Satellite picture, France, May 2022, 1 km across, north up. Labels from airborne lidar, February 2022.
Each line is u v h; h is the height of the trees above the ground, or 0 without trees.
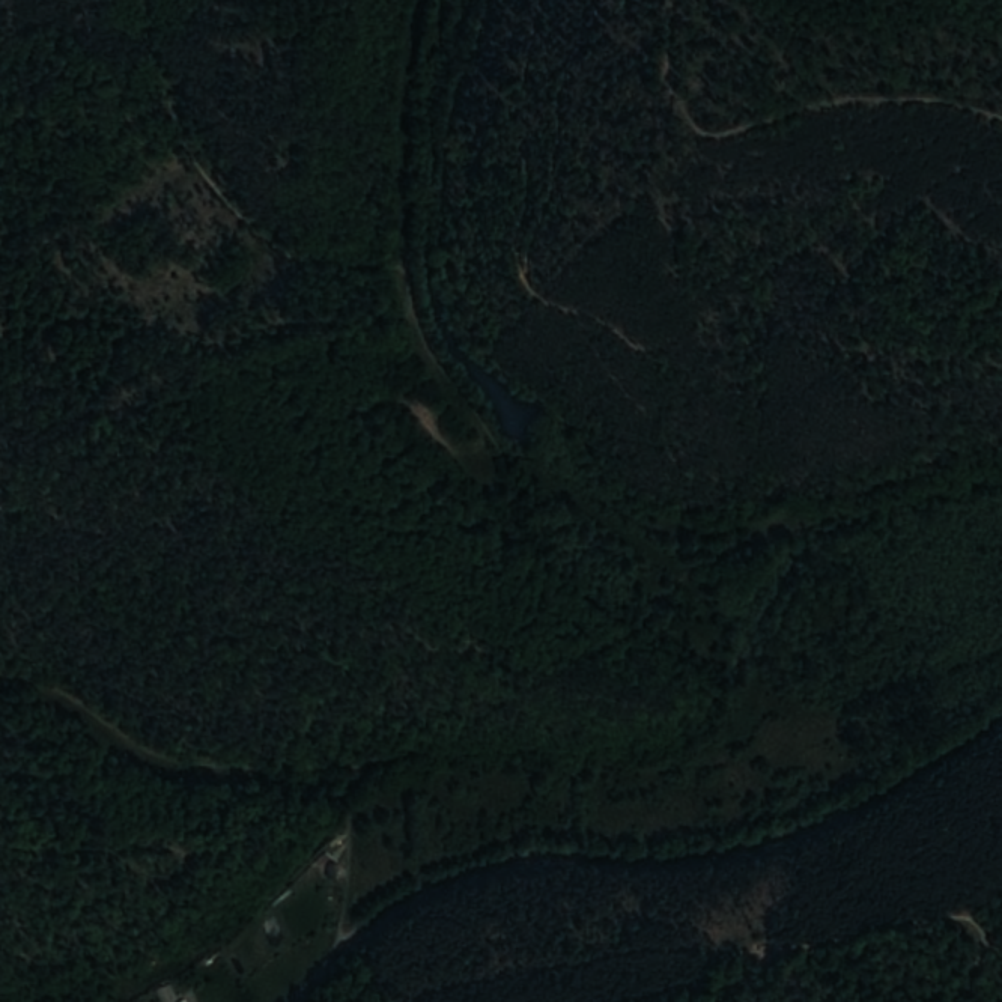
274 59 24
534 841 15
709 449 19
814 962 9
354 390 33
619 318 14
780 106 26
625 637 31
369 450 31
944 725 27
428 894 12
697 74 0
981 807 17
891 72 23
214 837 23
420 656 28
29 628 31
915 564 23
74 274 21
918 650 22
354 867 0
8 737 28
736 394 26
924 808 20
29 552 28
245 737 28
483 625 26
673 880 31
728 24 23
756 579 21
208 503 26
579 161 24
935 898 17
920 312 24
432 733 29
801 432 16
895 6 21
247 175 24
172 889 26
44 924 18
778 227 23
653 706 25
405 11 19
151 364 23
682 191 6
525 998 16
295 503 27
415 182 20
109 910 19
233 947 0
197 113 30
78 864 21
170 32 28
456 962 28
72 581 30
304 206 24
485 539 33
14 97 27
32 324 6
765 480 22
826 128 10
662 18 21
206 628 19
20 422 29
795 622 20
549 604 32
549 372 19
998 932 24
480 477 0
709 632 0
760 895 25
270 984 0
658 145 24
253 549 26
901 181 10
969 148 11
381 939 21
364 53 25
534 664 23
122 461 28
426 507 31
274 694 31
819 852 17
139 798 32
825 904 18
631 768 15
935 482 28
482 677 27
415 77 18
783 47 23
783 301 31
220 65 25
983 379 22
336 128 28
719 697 14
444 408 17
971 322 25
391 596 23
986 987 30
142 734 36
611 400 23
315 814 28
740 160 9
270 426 29
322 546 22
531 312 16
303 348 29
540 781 23
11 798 30
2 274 17
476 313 25
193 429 27
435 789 0
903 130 8
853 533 25
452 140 32
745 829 17
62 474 28
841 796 25
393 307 30
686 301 18
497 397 0
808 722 0
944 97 21
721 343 26
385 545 25
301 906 0
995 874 18
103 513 29
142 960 33
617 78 25
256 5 27
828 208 25
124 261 26
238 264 31
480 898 25
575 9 28
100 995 25
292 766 29
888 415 15
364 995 27
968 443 24
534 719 28
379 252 27
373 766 19
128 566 33
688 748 30
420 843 20
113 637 29
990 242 7
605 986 19
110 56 25
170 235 25
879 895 18
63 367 14
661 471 22
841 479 21
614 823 0
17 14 6
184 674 31
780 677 23
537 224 27
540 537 21
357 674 33
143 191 0
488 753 21
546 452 24
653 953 22
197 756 16
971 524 19
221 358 34
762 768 17
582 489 9
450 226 8
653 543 15
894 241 19
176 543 27
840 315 24
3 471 25
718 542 16
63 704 0
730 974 26
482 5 26
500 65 26
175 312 0
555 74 25
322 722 28
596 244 15
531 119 25
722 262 26
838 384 16
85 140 22
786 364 18
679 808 0
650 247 15
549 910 29
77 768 34
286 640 33
